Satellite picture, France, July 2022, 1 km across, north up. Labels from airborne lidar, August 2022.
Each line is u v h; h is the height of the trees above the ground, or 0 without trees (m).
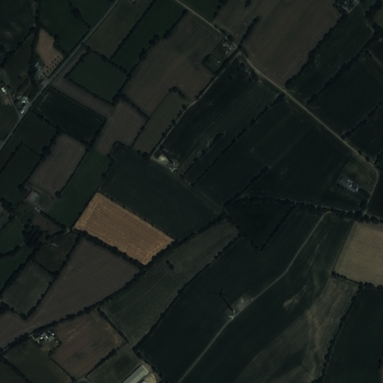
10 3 0
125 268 0
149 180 0
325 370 8
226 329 0
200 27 0
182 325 0
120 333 10
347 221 0
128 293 0
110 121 0
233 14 0
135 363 0
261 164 0
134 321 0
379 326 0
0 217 0
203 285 0
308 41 0
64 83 0
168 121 0
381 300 0
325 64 0
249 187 7
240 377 0
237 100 0
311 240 0
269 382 0
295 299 0
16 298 0
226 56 0
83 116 0
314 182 0
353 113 0
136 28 8
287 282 0
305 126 0
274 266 0
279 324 0
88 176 0
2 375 0
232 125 0
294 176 0
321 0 0
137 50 0
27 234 19
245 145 0
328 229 0
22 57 0
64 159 0
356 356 0
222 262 0
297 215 0
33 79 6
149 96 0
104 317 6
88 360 0
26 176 0
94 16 0
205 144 0
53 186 0
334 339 10
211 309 0
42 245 14
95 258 0
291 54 0
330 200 0
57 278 12
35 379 0
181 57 0
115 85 0
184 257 0
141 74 0
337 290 0
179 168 0
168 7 0
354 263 0
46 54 0
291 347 0
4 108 0
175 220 0
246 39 12
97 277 0
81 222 0
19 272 16
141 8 0
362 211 7
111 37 0
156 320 0
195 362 0
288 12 0
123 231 0
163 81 0
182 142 0
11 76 0
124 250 0
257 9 0
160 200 0
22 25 0
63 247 0
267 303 0
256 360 0
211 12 0
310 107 0
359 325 0
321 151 0
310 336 0
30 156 0
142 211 0
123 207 7
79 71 0
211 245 0
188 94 0
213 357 0
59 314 0
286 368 0
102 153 0
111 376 0
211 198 0
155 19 0
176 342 0
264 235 0
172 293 0
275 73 0
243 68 10
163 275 0
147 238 0
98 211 0
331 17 0
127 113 0
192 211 0
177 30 0
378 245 0
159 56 0
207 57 8
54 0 0
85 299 0
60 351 0
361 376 0
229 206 16
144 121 0
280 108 0
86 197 0
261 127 0
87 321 0
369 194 8
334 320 0
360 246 0
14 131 5
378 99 0
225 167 0
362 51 7
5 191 0
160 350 0
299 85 0
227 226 0
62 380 0
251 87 0
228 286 0
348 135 14
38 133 0
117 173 0
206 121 0
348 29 0
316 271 0
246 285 0
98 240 14
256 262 0
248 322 0
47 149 18
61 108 0
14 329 0
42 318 0
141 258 0
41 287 0
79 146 0
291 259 0
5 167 6
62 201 0
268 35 0
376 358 0
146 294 0
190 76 0
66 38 0
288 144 0
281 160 0
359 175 0
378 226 0
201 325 0
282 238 0
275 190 0
